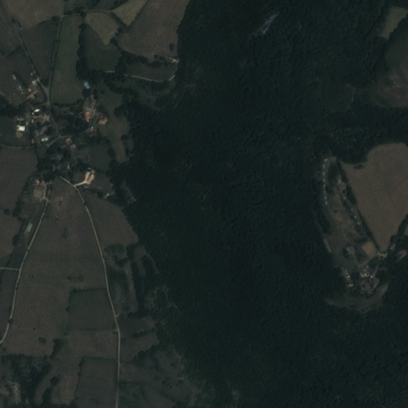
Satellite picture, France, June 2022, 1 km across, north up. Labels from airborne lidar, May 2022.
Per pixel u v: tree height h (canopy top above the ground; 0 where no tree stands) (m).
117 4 12
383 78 0
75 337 0
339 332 15
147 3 0
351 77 15
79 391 0
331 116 9
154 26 0
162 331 10
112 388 0
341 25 14
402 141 10
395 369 27
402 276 21
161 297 8
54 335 0
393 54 0
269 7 11
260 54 21
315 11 16
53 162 14
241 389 8
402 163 0
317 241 17
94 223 0
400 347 24
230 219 28
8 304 0
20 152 0
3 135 0
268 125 18
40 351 0
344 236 0
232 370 13
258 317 24
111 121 0
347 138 12
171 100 6
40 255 0
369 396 21
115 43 10
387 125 23
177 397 0
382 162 0
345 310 10
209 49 14
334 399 23
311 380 20
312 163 9
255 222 18
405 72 0
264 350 25
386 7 11
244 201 27
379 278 7
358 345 19
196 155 24
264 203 23
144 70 0
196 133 17
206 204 17
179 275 18
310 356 12
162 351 5
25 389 8
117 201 11
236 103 26
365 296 6
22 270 0
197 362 10
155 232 11
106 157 0
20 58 0
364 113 13
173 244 14
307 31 12
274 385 16
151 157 16
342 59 18
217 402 10
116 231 0
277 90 18
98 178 0
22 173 0
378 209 0
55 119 6
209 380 6
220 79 16
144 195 13
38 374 8
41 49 0
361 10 14
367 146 12
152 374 0
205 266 18
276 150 15
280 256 5
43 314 0
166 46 0
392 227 0
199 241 18
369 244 0
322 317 19
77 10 9
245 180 21
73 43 0
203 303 17
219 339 19
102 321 0
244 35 23
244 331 25
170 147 27
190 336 16
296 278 18
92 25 0
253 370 13
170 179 19
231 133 27
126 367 0
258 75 25
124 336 0
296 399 29
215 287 16
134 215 12
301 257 11
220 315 18
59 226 0
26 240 0
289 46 12
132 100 8
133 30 0
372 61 12
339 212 0
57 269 0
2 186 0
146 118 18
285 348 29
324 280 20
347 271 0
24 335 0
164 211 18
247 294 25
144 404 0
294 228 23
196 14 7
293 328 18
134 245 7
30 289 0
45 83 8
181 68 14
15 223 0
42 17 0
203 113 11
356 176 0
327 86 0
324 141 16
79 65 13
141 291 10
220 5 17
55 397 0
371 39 14
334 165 0
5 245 0
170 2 0
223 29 13
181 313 11
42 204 0
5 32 0
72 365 0
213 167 24
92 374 0
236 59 26
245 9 14
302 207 14
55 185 0
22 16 0
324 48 16
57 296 0
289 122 27
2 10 0
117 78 16
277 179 17
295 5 26
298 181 14
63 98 0
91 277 0
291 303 15
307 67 16
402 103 0
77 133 8
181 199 18
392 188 0
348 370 28
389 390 15
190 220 14
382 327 13
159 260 13
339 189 0
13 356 9
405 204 0
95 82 21
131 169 14
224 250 20
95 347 0
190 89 6
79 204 0
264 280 23
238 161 23
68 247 0
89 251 0
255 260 23
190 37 14
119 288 0
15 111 11
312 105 15
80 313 0
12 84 0
